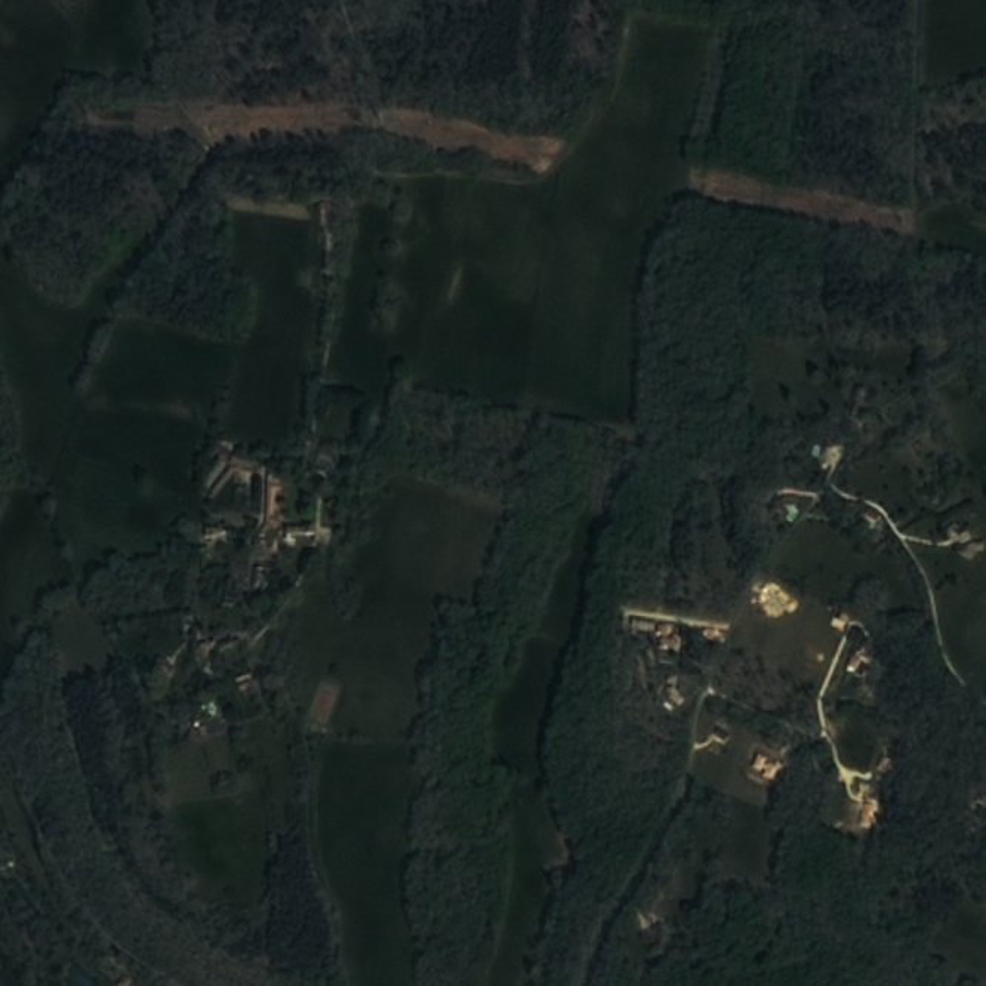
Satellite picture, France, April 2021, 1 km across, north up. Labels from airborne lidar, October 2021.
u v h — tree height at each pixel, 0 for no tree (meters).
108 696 12
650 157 0
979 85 20
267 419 0
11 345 0
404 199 18
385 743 0
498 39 19
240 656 12
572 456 29
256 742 0
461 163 20
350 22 14
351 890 0
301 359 0
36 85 0
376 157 20
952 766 13
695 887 0
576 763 18
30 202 19
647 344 15
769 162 22
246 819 0
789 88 18
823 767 11
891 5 23
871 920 15
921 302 12
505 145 0
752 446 16
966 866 13
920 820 13
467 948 22
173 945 13
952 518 7
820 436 18
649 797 14
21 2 0
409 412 21
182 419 0
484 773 29
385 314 26
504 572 19
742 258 16
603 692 14
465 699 22
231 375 0
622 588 16
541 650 0
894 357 0
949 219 0
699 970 13
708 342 18
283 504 12
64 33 0
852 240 20
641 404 20
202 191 20
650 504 16
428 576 0
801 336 16
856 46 12
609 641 18
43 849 18
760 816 0
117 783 14
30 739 21
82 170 28
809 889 20
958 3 0
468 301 0
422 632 0
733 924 22
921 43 12
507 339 0
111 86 17
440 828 18
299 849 17
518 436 16
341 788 0
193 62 16
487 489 21
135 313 23
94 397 0
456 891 22
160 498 0
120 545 0
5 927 21
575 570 0
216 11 8
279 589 13
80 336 0
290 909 15
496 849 21
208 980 12
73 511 0
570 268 0
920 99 20
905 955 19
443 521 0
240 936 14
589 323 0
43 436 0
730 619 16
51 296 18
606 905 15
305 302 0
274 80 17
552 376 0
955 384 12
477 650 25
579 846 20
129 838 17
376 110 11
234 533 8
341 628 0
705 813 15
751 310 20
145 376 0
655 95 0
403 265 0
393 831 0
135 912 16
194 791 0
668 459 20
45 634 9
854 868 17
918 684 10
